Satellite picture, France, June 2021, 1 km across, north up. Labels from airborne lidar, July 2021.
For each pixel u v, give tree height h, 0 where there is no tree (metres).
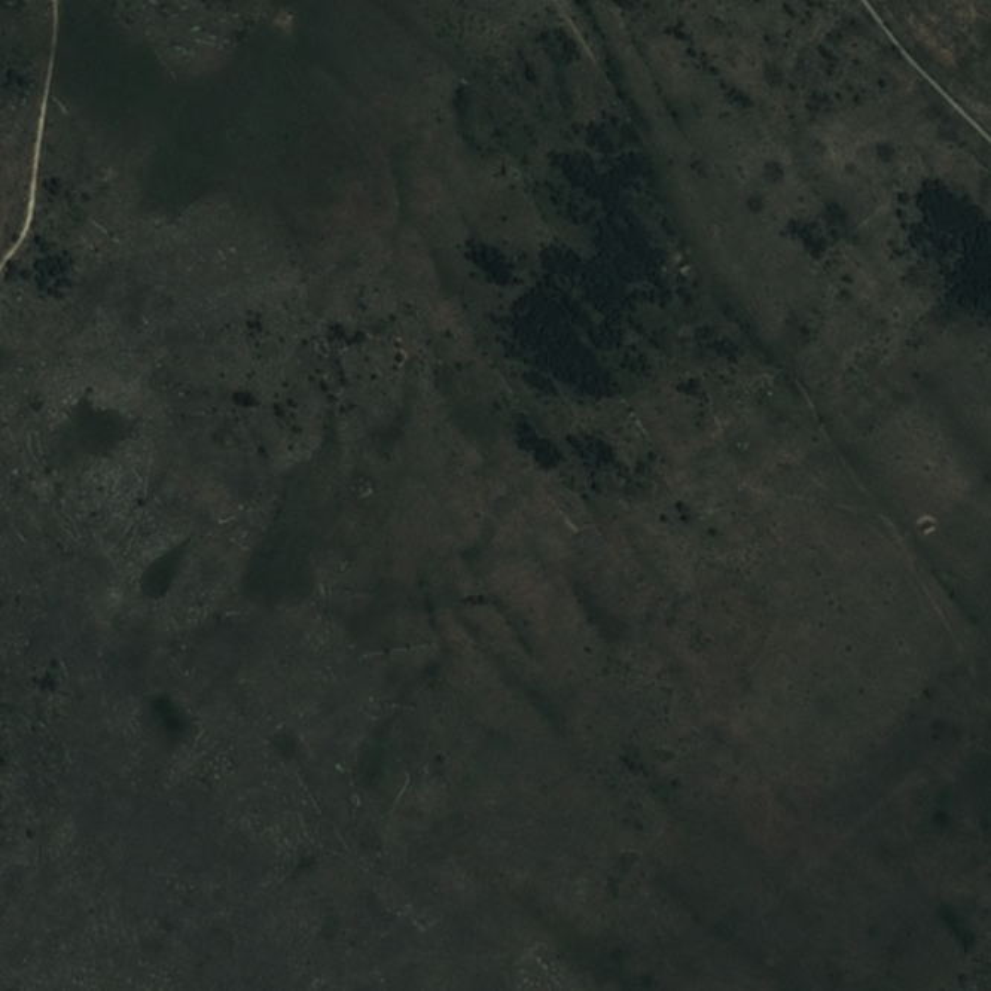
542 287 8
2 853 0
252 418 0
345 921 0
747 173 0
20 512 0
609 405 0
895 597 0
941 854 0
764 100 0
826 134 0
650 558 0
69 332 0
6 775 0
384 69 0
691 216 0
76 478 0
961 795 0
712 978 0
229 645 0
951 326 0
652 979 0
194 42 0
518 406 0
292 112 0
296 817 0
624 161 6
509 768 0
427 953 0
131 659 0
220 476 0
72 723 0
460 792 0
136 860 0
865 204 0
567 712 0
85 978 0
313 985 0
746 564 0
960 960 0
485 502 0
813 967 0
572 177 8
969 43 0
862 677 0
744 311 0
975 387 0
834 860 0
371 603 0
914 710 0
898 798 0
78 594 0
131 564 0
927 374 0
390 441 0
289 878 0
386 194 0
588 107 0
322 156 0
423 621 0
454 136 0
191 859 0
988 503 0
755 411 0
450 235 0
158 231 0
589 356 9
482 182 0
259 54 0
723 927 0
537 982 0
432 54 0
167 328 0
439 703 0
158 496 0
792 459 0
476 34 0
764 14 0
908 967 0
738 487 0
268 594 0
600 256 8
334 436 0
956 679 0
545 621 0
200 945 0
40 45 0
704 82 0
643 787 0
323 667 0
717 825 0
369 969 0
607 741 0
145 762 0
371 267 0
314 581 0
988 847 0
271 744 0
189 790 0
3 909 0
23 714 0
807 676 0
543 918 0
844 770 0
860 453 0
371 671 0
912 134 0
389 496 0
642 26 0
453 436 0
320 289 0
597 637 0
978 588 0
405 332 0
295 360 0
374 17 0
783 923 0
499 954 0
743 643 0
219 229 0
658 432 0
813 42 0
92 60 0
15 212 0
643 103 0
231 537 0
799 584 0
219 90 0
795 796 0
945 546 0
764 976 0
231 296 0
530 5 0
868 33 0
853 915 0
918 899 0
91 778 0
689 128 0
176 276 0
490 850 0
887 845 0
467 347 0
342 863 0
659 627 0
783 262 0
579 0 8
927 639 0
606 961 0
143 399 0
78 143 0
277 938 0
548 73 0
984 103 0
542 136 0
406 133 0
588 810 0
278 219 0
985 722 0
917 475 0
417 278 0
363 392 0
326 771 0
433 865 0
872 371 0
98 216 0
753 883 0
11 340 0
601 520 0
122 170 0
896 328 0
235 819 0
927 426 0
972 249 9
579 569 0
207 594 0
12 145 0
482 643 0
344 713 0
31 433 0
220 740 0
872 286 0
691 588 0
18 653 0
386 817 0
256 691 0
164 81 0
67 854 0
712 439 0
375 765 0
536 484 0
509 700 0
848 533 0
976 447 0
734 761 0
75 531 0
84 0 0
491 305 0
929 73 0
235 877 0
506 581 0
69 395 0
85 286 0
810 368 0
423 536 0
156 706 0
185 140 0
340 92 0
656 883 0
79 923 0
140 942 0
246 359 0
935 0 0
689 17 0
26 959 0
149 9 0
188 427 0
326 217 0
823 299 0
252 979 0
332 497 0
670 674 0
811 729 0
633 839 0
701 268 0
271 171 0
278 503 0
